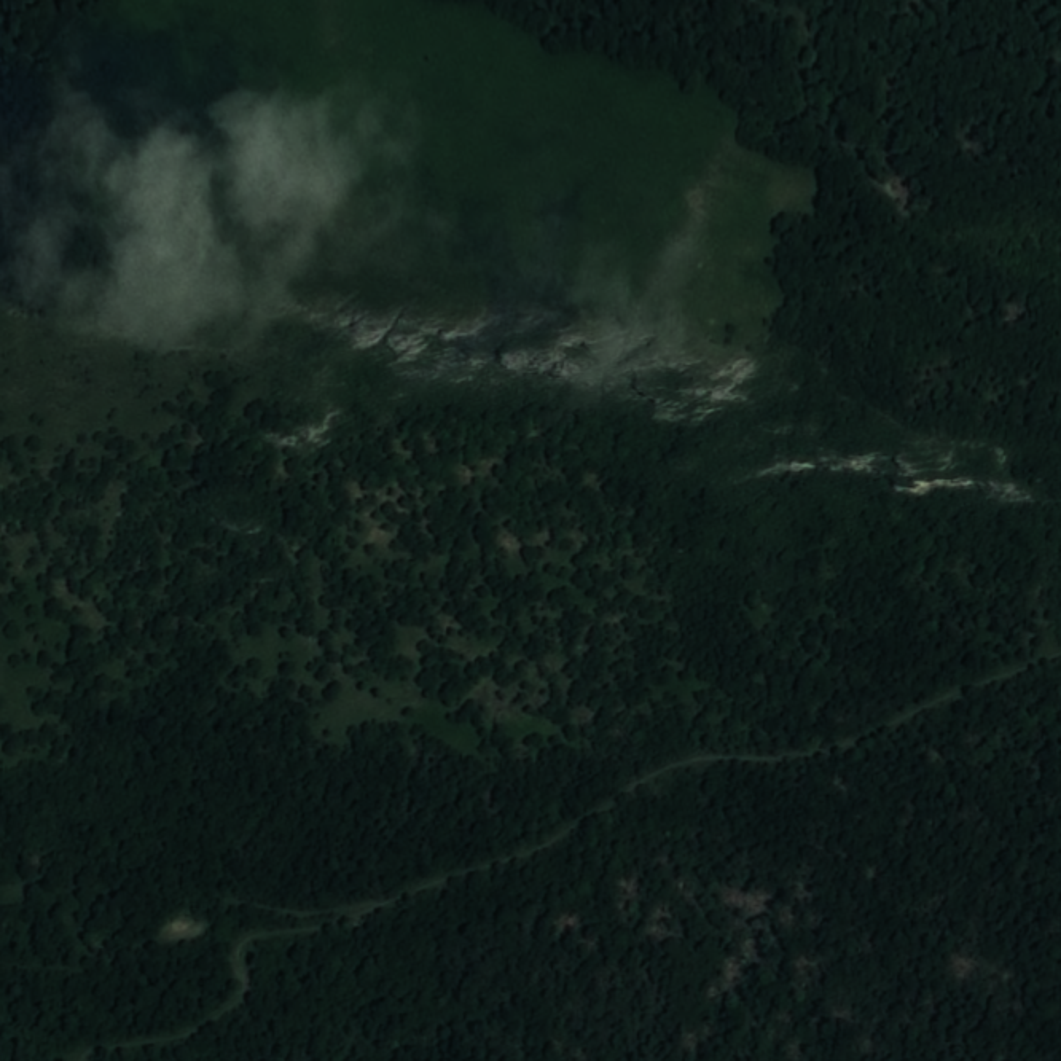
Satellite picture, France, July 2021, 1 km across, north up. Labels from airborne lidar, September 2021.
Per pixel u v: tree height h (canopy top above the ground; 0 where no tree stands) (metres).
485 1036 30
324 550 22
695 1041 9
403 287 0
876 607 20
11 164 19
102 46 0
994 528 14
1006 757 32
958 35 34
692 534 17
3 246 16
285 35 0
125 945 16
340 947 15
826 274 28
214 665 16
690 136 0
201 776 10
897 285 33
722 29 12
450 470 23
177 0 0
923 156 33
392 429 15
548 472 13
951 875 19
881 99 29
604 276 0
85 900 26
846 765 20
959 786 19
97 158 0
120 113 0
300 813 11
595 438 17
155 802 16
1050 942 23
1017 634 19
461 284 0
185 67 0
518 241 0
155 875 16
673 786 9
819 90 34
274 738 20
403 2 0
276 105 0
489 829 27
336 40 0
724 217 0
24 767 10
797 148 28
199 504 6
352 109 0
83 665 23
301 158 0
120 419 10
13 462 11
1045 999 24
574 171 0
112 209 0
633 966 30
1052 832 31
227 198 0
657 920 8
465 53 0
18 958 24
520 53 0
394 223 0
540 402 9
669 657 21
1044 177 26
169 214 0
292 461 22
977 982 7
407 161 0
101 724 20
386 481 25
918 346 26
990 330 32
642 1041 17
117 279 0
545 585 16
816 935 8
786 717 22
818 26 21
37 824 8
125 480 13
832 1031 30
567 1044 10
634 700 25
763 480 7
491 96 0
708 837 21
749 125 15
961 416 26
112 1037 11
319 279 0
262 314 0
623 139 0
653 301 0
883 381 26
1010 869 25
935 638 26
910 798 12
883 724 17
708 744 28
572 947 28
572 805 23
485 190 0
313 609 16
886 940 19
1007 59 32
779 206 0
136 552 11
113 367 0
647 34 9
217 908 19
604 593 9
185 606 20
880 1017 9
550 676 23
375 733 17
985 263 23
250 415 14
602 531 22
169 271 0
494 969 7
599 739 24
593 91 0
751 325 0
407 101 0
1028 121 30
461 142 0
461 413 20
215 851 10
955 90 31
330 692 18
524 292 0
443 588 14
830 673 22
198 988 10
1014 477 19
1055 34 32
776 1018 20
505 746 18
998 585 23
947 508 18
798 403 8
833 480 10
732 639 19
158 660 25
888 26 30
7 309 0
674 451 14
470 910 18
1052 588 10
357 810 19
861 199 28
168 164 0
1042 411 31
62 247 19
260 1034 9
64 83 18
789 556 20
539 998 12
